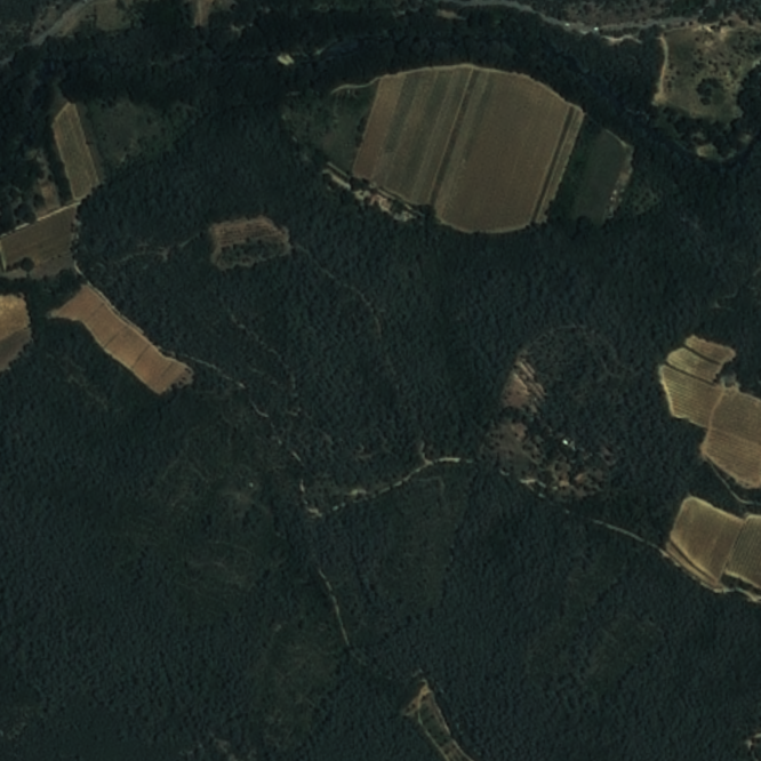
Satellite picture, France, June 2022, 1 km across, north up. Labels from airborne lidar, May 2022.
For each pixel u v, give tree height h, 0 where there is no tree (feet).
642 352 47
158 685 55
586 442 54
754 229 57
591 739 30
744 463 0
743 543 0
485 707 43
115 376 43
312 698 25
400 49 90
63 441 53
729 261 25
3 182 39
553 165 0
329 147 0
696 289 36
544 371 34
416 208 27
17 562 59
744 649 33
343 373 50
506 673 55
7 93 62
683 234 24
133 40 75
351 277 61
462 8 37
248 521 35
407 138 0
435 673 46
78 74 77
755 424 0
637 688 68
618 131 34
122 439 43
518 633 31
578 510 38
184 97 55
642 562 32
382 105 0
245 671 51
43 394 29
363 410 61
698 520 0
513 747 67
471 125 0
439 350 56
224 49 88
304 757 43
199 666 33
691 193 67
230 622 58
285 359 45
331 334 58
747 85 43
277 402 55
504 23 42
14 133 90
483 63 56
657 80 76
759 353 32
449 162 0
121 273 24
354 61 69
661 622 52
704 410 0
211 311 21
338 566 49
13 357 0
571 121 0
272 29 93
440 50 71
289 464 25
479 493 47
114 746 32
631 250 61
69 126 0
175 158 61
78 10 0
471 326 38
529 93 0
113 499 62
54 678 68
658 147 69
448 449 52
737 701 52
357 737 68
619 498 29
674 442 61
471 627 43
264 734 21
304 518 43
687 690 51
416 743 61
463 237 44
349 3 31
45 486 41
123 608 51
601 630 45
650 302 68
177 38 96
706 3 30
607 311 58
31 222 58
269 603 41
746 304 30
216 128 53
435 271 31
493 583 60
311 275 50
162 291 28
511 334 43
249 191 29
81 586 56
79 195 0
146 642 57
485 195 0
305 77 81
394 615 57
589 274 37
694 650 42
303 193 37
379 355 51
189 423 25
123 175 27
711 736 57
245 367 23
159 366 0
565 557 61
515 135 0
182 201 80
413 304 60
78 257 34
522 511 52
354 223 54
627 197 30
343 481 60
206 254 38
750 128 75
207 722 58
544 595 33
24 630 56
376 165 0
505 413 33
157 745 55
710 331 62
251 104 34
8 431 59
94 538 42
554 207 26
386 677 31
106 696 22
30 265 40
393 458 62
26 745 32
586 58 28
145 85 56
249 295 53
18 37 19
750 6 35
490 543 41
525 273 38
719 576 0
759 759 40
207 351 23
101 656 68
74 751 33
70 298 30
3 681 26
